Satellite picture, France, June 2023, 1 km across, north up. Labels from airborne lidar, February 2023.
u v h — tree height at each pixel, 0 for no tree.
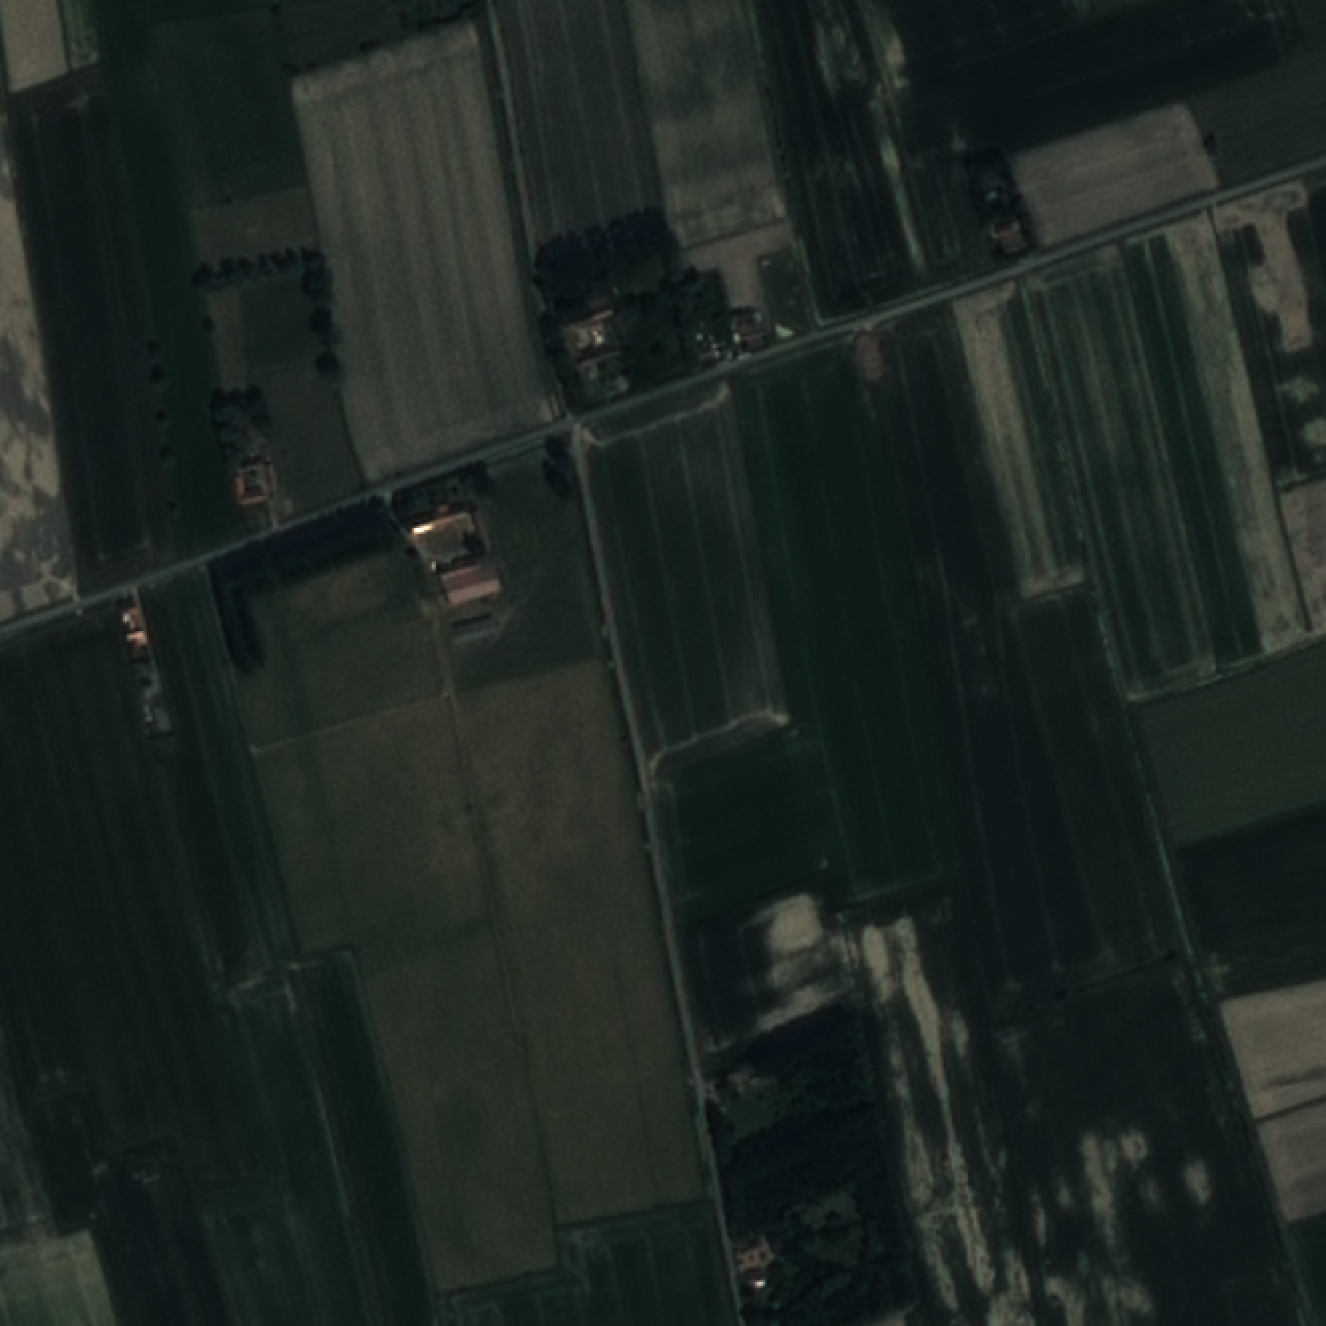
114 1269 0
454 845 0
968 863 0
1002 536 0
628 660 0
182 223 0
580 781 0
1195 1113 0
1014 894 0
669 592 0
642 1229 0
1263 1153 0
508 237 0
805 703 0
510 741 0
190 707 0
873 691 0
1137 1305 0
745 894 0
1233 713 0
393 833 0
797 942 0
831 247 0
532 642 0
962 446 0
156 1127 0
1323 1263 0
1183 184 0
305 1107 0
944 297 0
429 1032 0
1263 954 0
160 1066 0
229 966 0
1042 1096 0
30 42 0
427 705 0
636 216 0
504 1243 0
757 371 0
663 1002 0
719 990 0
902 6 0
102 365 0
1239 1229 0
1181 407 0
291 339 0
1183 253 0
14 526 0
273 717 0
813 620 0
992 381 0
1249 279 0
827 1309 11
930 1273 0
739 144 0
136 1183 0
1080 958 0
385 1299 0
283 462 0
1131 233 0
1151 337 0
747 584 0
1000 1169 0
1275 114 0
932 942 0
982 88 0
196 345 0
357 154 0
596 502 0
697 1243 0
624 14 0
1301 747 0
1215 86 0
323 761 0
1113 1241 0
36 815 0
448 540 0
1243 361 0
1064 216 0
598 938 0
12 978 0
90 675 0
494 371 0
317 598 0
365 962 0
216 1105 0
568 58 0
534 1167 0
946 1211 0
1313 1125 0
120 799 0
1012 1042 0
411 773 0
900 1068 0
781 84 0
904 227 0
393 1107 0
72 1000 0
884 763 0
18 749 0
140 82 0
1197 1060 0
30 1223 0
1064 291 0
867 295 0
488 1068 0
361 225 0
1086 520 0
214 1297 0
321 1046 0
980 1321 0
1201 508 0
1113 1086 0
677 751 0
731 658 0
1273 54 0
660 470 0
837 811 0
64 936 0
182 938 0
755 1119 0
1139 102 0
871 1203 20
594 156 0
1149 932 0
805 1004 0
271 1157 0
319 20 0
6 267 0
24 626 0
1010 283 0
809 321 0
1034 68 0
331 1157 0
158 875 0
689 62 0
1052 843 0
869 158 0
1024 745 0
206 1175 0
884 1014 0
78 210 0
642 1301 0
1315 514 0
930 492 0
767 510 0
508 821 0
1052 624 0
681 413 0
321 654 0
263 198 0
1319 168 0
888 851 0
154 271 0
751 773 0
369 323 0
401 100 0
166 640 0
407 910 0
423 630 0
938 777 0
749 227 0
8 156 0
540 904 0
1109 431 0
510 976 0
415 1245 0
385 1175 0
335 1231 0
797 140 0
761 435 0
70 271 0
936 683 0
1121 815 0
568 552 0
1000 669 0
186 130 0
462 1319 0
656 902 0
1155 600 0
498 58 0
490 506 0
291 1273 0
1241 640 0
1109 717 0
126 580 0
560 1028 0
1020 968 0
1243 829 0
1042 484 0
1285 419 0
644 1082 0
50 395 0
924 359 0
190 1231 0
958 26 0
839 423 0
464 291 0
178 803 0
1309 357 0
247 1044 0
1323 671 0
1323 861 0
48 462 0
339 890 0
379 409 0
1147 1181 0
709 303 0
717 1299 0
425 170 0
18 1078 0
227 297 0
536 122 0
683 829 0
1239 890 0
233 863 0
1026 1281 0
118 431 0
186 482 0
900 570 0
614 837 0
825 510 0
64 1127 0
